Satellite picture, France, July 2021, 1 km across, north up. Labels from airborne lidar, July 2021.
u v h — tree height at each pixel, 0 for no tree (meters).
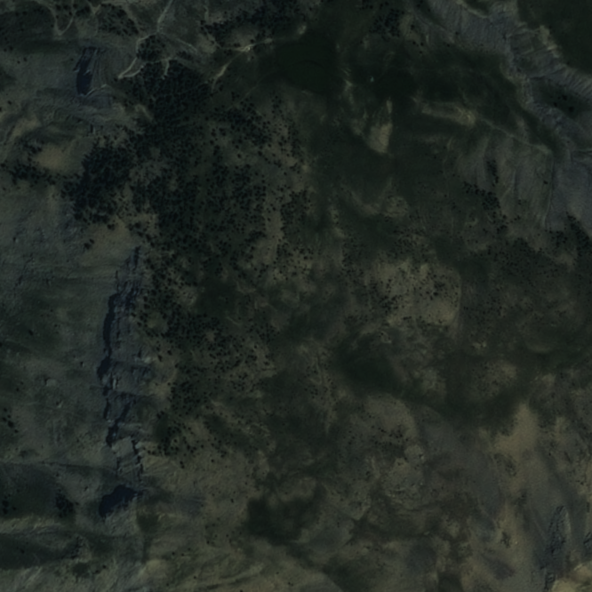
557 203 0
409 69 0
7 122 0
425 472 0
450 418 0
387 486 0
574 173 0
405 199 0
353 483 0
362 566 0
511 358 0
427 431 0
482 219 0
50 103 0
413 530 0
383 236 0
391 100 0
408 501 0
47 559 0
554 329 0
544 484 0
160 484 0
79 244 0
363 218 0
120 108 0
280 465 0
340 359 0
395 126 0
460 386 0
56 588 0
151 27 0
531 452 0
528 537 0
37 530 0
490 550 0
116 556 0
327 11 0
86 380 0
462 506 0
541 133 0
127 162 8
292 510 0
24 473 0
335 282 0
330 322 0
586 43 0
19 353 0
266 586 0
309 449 0
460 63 0
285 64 0
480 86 0
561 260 0
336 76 0
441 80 0
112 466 0
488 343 0
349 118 0
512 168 0
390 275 0
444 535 0
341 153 0
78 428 0
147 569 0
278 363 0
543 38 0
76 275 0
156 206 9
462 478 0
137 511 0
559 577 0
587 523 0
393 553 0
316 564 0
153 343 0
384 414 0
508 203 0
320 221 0
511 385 0
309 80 0
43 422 0
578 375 0
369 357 0
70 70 0
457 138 0
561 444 0
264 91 0
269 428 0
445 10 0
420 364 0
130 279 0
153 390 0
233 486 0
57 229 0
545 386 0
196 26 0
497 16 0
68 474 0
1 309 0
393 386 0
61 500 9
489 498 0
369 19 0
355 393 0
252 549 0
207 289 0
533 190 0
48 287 0
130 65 0
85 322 0
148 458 0
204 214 0
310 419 0
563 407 0
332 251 0
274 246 0
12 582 0
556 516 0
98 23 0
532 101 0
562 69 0
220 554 0
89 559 0
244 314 0
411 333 0
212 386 0
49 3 0
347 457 0
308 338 0
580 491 0
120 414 0
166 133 5
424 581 0
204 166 0
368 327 0
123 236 0
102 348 0
